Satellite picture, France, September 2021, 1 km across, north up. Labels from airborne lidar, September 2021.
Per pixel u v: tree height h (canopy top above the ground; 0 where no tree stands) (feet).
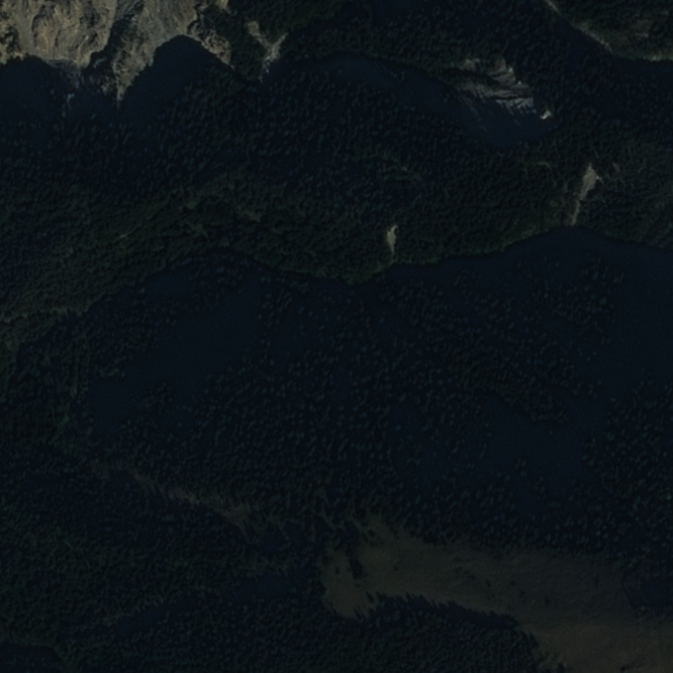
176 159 28
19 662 36
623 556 32
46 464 42
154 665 53
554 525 25
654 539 32
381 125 28
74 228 50
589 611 0
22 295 47
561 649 0
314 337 72
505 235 39
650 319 36
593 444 30
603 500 22
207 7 43
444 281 29
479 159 52
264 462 105
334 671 66
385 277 24
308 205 36
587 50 26
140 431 50
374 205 38
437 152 62
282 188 51
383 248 44
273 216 71
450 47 27
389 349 99
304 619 48
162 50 0
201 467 58
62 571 28
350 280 35
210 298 32
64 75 0
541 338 97
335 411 98
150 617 22
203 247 74
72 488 39
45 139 22
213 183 53
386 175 39
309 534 49
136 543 29
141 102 37
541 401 69
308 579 51
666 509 22
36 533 29
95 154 114
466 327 96
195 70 71
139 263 74
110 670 51
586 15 56
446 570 0
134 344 21
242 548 80
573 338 22
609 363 30
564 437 45
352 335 65
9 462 27
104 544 31
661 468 21
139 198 33
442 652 52
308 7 88
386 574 0
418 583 0
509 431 60
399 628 38
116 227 53
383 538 0
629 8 35
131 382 30
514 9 113
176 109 59
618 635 0
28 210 61
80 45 0
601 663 0
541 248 22
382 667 25
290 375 64
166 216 68
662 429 47
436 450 43
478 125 0
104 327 22
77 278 37
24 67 0
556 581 0
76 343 30
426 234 89
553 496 26
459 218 71
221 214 69
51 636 19
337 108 27
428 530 31
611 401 53
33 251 65
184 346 44
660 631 0
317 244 57
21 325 54
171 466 52
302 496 73
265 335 80
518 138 0
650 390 57
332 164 53
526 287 85
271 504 98
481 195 75
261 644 99
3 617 31
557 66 91
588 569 0
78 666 34
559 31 0
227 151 28
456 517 64
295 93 28
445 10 26
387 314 36
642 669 0
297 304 74
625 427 21
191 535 48
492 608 0
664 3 73
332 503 91
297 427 80
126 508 33
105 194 62
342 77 34
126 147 32
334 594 0
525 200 73
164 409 40
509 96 0
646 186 19
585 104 33
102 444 35
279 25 47
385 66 24
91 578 25
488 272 30
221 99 51
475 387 42
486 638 65
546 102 71
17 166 76
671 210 20
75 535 30
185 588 34
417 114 55
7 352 50
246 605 31
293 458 67
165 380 45
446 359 44
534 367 96
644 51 24
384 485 75
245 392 103
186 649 56
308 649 95
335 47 31
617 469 30
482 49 77
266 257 66
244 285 47
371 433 95
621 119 25
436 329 67
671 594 20
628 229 49
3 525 67
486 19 109
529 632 0
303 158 31
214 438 116
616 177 41
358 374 51
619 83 41
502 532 23
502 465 22
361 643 70
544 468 30
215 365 29
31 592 92
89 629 81
